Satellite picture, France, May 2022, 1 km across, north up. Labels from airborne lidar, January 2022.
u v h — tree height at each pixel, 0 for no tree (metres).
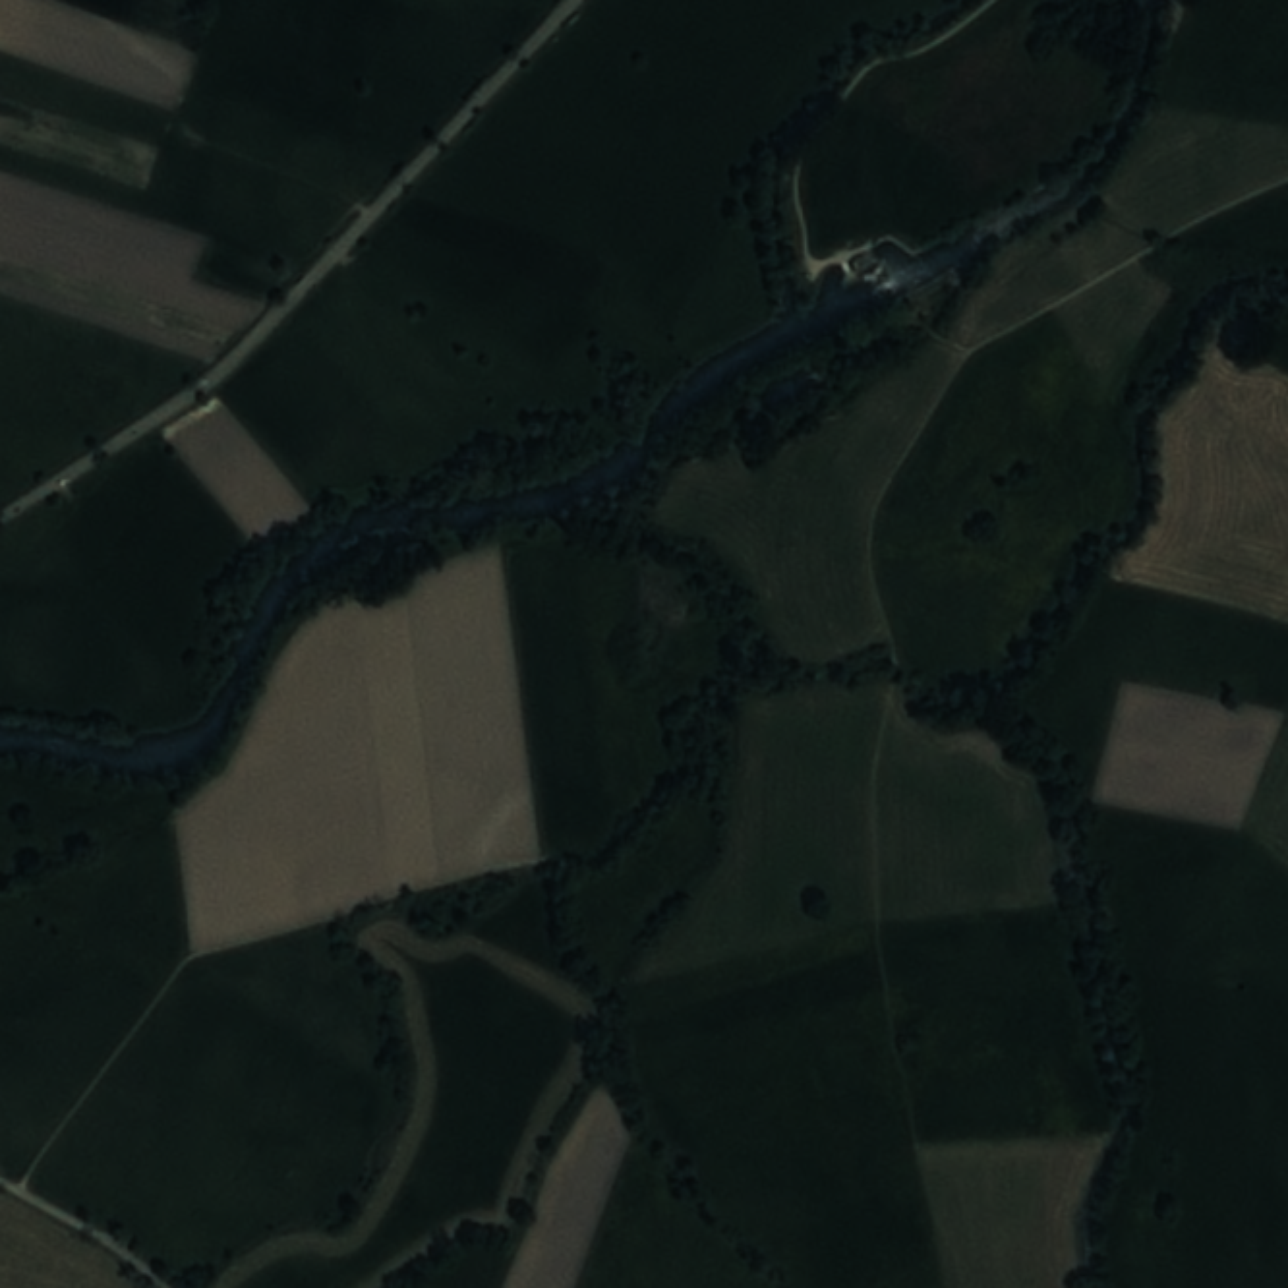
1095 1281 15
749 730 0
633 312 0
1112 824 0
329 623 0
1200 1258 0
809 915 10
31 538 0
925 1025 0
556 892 18
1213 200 0
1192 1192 0
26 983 0
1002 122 0
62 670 0
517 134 0
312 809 0
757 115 0
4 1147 0
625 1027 9
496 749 0
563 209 0
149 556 0
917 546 0
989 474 0
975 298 0
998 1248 0
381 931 0
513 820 0
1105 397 0
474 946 0
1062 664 0
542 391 0
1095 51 27
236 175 0
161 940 0
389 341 0
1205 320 19
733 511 0
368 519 0
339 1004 0
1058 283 0
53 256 0
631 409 20
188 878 0
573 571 0
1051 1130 0
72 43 0
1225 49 0
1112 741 0
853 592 0
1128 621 0
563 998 0
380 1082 0
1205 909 0
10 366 0
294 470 0
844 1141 0
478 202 0
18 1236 0
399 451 0
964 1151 0
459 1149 0
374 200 0
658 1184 0
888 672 10
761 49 0
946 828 0
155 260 0
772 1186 0
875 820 0
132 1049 0
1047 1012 0
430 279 0
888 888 0
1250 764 0
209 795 0
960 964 0
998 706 33
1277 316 17
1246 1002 0
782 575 0
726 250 0
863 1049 0
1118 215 0
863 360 25
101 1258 0
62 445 0
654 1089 0
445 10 0
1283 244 0
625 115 0
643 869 0
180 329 0
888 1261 0
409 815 0
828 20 0
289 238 0
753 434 32
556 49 0
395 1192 0
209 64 0
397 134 0
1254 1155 0
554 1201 0
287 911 0
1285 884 0
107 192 0
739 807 0
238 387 0
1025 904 0
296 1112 0
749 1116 0
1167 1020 0
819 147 0
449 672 0
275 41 0
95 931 0
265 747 0
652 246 0
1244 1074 0
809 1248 0
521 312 0
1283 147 0
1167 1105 0
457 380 0
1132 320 0
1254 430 0
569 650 0
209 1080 0
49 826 0
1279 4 0
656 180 0
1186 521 0
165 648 0
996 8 0
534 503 0
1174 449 0
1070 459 0
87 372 0
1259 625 0
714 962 0
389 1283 10
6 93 0
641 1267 0
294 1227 0
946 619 0
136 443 0
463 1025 0
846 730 0
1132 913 0
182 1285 12
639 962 0
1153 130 0
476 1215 0
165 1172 0
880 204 0
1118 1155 11
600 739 0
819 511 0
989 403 0
